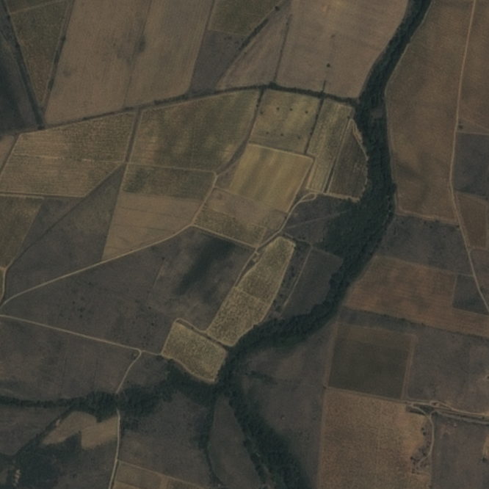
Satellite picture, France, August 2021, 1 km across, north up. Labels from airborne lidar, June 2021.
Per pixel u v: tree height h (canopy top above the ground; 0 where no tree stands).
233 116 0
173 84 0
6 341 0
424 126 0
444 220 0
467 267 0
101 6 0
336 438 0
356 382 0
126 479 0
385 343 0
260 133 0
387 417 0
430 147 0
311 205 0
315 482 0
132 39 0
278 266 0
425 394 0
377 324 0
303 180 0
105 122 0
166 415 0
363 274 0
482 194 0
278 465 10
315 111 0
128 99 0
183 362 0
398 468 0
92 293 0
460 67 0
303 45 0
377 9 0
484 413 0
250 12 0
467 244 0
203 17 0
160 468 0
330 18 0
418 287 0
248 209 0
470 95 0
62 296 0
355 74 0
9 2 0
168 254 0
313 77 0
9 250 0
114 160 0
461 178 0
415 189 0
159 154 0
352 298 0
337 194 0
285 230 0
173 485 0
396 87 0
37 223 0
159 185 0
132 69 0
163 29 0
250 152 0
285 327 15
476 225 0
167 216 0
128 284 0
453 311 0
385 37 0
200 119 0
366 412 0
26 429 0
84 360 0
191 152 0
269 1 0
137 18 0
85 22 0
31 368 0
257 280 0
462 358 0
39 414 0
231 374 16
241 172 0
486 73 0
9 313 0
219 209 0
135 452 0
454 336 0
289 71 0
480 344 0
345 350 0
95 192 0
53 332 0
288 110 0
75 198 0
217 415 0
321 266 0
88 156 0
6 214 0
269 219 0
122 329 0
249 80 0
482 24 0
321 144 0
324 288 0
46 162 0
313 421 0
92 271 0
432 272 0
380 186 17
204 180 0
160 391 11
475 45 0
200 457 0
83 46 0
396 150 0
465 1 0
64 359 0
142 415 9
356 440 0
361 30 0
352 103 8
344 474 0
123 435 6
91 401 11
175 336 0
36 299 0
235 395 13
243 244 0
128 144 0
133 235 0
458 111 0
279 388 0
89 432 0
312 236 0
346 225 8
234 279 0
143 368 0
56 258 0
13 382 0
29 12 0
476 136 0
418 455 0
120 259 0
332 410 0
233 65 0
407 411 0
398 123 0
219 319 0
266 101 0
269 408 0
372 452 0
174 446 0
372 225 9
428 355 0
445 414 0
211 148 0
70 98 0
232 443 0
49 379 0
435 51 0
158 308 0
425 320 0
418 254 0
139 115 0
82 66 0
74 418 0
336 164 0
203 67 0
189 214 0
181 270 0
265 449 13
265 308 0
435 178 0
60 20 0
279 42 0
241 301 0
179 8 0
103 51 0
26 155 0
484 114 0
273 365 0
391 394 0
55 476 0
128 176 0
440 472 0
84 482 0
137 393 6
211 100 0
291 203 0
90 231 0
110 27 0
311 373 0
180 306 0
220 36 0
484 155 0
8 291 0
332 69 0
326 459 0
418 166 0
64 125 0
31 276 0
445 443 0
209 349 0
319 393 0
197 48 0
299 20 0
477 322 0
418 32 0
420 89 0
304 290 0
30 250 0
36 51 0
